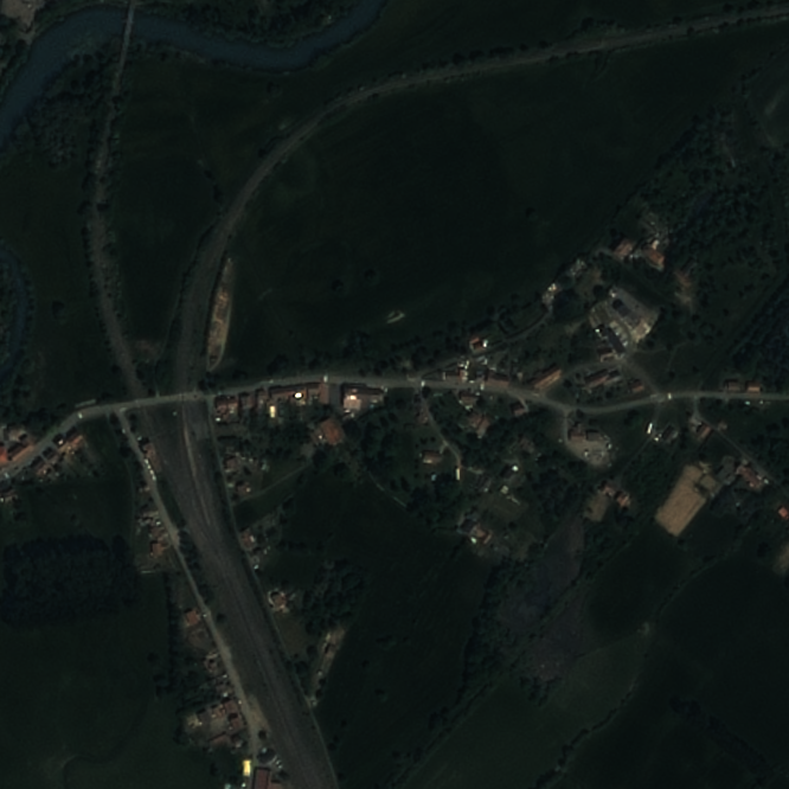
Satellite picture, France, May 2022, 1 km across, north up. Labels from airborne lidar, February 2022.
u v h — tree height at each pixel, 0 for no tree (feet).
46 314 0
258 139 0
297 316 0
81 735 0
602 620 0
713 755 0
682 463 0
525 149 0
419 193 0
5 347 49
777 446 64
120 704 0
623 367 0
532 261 0
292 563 0
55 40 0
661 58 0
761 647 0
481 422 0
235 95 0
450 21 0
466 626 0
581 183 0
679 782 0
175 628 50
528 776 0
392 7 0
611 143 0
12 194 0
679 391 0
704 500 0
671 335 0
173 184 0
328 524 0
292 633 0
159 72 0
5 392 30
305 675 53
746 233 28
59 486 0
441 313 0
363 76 0
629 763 0
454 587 0
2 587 0
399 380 0
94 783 0
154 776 0
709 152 73
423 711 0
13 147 46
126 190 0
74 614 110
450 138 0
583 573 26
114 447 0
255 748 0
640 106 0
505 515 0
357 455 21
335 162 0
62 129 76
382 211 0
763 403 0
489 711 0
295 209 0
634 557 0
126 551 86
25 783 0
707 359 0
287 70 0
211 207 0
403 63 0
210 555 0
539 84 0
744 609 0
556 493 60
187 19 47
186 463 0
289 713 0
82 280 0
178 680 38
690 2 0
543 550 25
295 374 0
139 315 0
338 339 0
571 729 0
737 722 0
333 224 0
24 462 0
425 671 0
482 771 0
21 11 0
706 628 0
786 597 0
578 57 33
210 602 32
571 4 0
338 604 52
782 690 0
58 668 0
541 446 53
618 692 0
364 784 0
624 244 0
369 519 0
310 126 0
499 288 0
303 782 0
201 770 0
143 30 0
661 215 28
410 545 0
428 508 72
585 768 0
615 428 0
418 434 0
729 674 0
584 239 0
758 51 0
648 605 0
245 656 0
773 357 55
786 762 0
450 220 0
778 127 0
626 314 0
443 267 0
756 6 41
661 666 0
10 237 0
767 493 38
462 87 0
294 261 0
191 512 0
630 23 0
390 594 0
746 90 30
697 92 0
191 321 0
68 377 0
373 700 0
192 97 0
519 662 20
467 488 0
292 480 0
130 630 0
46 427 54
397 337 0
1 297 43
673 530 0
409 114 0
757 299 0
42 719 0
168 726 0
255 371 0
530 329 0
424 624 0
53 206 0
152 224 0
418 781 0
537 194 0
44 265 0
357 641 0
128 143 0
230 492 0
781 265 35
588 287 0
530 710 0
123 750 0
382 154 0
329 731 0
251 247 0
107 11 0
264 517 0
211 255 0
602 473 0
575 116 0
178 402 0
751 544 0
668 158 24
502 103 0
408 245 0
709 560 34
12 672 0
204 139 0
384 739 0
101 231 0
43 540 0
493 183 0
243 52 0
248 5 0
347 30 0
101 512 0
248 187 0
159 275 0
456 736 0
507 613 0
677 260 46
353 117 0
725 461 0
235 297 0
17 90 0
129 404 0
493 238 0
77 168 0
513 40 0
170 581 65
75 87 43
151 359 0
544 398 0
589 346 0
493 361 0
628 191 0
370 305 0
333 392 0
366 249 0
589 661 0
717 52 0
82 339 0
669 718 0
